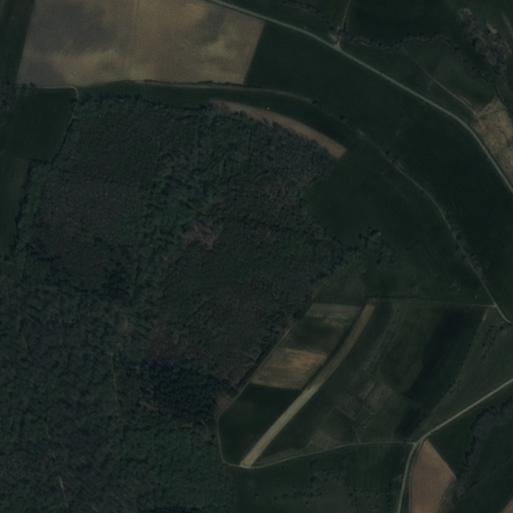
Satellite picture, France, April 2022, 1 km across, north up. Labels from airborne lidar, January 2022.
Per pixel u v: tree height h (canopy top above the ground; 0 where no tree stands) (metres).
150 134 11
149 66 0
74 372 27
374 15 0
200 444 25
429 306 0
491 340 13
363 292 0
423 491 0
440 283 0
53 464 19
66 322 27
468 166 0
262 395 0
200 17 0
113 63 0
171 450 27
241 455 0
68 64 0
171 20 0
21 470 27
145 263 24
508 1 0
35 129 0
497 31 0
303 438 0
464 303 0
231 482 17
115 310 30
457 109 0
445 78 0
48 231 20
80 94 0
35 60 0
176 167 27
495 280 0
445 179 0
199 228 15
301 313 11
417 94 0
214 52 0
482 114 0
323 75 0
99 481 33
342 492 0
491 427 23
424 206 0
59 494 26
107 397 27
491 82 13
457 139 0
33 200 22
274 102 0
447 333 0
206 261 12
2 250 0
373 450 0
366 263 19
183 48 0
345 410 0
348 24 0
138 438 20
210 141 28
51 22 0
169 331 6
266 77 0
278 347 0
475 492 0
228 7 0
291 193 25
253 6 0
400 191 0
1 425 22
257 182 15
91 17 0
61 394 24
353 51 0
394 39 0
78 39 0
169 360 7
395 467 0
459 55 17
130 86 0
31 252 23
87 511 25
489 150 0
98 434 24
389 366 0
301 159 23
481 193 0
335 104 0
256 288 10
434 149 0
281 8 0
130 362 27
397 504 0
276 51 0
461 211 0
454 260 0
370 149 0
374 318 0
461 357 0
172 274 7
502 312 0
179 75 0
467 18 23
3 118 0
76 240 13
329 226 0
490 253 0
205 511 12
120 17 0
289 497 11
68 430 24
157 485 20
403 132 0
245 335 12
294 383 0
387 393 0
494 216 0
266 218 10
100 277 11
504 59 24
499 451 0
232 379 10
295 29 0
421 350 0
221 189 9
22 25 0
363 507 0
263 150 11
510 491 0
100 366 28
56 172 16
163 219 24
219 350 13
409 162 0
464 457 0
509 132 0
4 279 25
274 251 11
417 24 0
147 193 17
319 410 0
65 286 14
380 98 0
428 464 0
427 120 0
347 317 0
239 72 0
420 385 0
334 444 0
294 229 7
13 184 0
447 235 0
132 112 13
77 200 19
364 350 0
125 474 30
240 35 0
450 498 0
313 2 0
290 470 0
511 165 0
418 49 0
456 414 0
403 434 0
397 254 15
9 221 0
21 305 24
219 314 9
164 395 25
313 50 0
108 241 18
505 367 0
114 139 14
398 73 0
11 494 22
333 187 0
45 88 0
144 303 22
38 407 24
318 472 22
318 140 0
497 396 0
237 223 10
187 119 6
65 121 0
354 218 0
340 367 0
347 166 0
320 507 0
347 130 0
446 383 0
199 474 20
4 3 0
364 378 0
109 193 20
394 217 0
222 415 0
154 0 0
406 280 0
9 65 0
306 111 0
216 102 0
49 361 31
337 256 14
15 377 28
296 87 0
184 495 22
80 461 34
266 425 0
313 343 0
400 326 0
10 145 0
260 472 0
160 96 0
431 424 0
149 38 0
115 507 28
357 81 0
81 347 31
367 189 0
